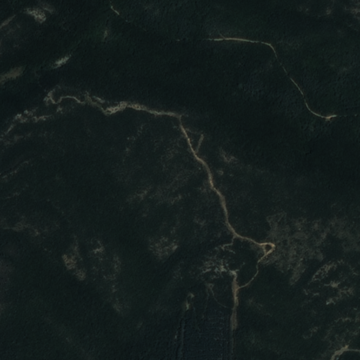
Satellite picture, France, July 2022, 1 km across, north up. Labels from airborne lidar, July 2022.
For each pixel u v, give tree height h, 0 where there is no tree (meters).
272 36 9
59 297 13
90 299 12
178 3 9
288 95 10
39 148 6
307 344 9
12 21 7
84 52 11
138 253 11
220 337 11
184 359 9
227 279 6
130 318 7
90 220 8
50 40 20
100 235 6
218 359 10
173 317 8
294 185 5
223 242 6
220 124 10
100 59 13
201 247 7
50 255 6
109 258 6
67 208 6
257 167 6
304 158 19
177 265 7
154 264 10
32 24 7
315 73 6
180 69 14
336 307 6
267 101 14
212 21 8
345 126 12
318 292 6
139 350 10
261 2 11
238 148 7
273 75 11
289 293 8
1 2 10
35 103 6
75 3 13
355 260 7
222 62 13
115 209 7
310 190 7
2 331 7
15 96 12
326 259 7
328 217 6
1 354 9
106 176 8
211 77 11
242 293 5
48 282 16
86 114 6
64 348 9
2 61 10
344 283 6
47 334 9
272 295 8
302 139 9
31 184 7
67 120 7
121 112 6
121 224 9
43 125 7
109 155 5
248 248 5
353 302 8
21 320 7
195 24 12
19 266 7
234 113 15
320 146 14
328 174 15
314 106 9
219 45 6
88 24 15
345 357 11
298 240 7
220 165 6
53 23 16
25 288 9
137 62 15
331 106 10
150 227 7
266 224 6
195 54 16
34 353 10
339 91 12
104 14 13
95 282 7
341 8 7
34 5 9
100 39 8
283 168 6
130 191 6
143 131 6
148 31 10
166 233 6
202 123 6
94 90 11
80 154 7
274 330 7
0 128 7
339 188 11
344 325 7
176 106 7
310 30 7
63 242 6
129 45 7
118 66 10
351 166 14
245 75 14
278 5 10
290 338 8
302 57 6
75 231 6
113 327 8
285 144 16
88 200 10
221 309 8
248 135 14
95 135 5
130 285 8
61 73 12
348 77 9
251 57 13
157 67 12
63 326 9
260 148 13
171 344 7
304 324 6
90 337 10
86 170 7
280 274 7
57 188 8
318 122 8
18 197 7
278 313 7
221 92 9
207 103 11
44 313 5
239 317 6
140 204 7
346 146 15
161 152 5
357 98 14
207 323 11
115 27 13
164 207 5
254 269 6
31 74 10
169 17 9
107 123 6
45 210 9
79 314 9
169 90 12
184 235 7
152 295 11
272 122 18
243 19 7
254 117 12
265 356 7
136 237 11
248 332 9
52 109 6
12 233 6
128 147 5
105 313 10
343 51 7
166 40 18
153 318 7
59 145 6
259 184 7
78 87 7
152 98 7
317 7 7
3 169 6
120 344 8
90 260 6
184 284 7
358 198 8
